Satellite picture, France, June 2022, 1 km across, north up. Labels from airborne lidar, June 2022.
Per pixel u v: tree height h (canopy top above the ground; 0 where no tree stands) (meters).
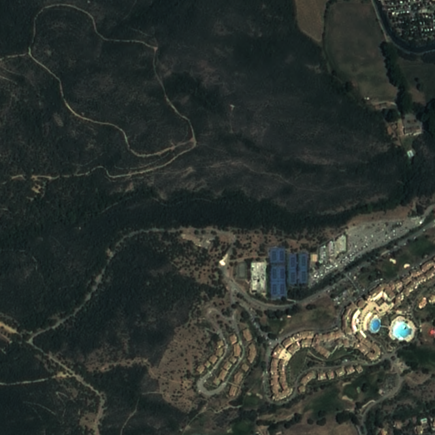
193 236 0
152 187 7
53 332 7
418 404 8
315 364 7
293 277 0
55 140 7
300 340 0
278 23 6
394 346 17
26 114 7
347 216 6
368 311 0
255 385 0
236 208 7
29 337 9
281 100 0
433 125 40
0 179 9
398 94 0
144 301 6
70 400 5
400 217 0
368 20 0
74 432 6
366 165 6
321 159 0
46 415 5
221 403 0
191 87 6
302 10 0
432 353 0
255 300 0
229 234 0
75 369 6
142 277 7
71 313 8
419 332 6
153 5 6
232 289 0
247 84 0
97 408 7
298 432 0
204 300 7
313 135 6
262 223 6
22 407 6
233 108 0
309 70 6
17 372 6
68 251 8
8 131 10
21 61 7
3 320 7
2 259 7
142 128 0
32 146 7
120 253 8
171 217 6
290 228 6
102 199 8
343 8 0
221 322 14
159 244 7
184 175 0
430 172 5
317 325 0
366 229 0
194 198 7
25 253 6
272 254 0
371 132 8
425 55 11
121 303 6
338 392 0
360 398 0
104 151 6
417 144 6
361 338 0
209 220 6
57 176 10
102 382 9
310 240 6
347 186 0
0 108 6
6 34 7
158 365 0
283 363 0
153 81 0
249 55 7
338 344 0
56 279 11
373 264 6
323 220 7
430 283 0
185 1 7
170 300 6
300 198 0
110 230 6
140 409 6
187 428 0
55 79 6
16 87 6
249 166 0
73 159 8
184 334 0
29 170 10
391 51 28
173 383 0
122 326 0
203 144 0
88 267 6
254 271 0
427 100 0
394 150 9
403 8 7
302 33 5
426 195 5
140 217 6
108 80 0
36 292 7
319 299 0
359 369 0
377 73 0
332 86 8
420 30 8
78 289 9
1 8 9
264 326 7
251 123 0
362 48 0
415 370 10
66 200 8
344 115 7
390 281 0
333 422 0
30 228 12
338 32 0
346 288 7
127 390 8
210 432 0
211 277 6
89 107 6
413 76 0
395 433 10
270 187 0
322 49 8
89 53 0
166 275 7
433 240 0
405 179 13
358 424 6
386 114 19
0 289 6
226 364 0
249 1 6
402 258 0
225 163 0
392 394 0
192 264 8
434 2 9
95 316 7
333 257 0
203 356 0
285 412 0
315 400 0
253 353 0
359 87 0
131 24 6
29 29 7
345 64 0
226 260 0
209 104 10
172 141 0
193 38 0
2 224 11
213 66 0
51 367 6
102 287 8
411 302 6
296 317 0
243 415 9
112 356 0
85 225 9
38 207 11
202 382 0
